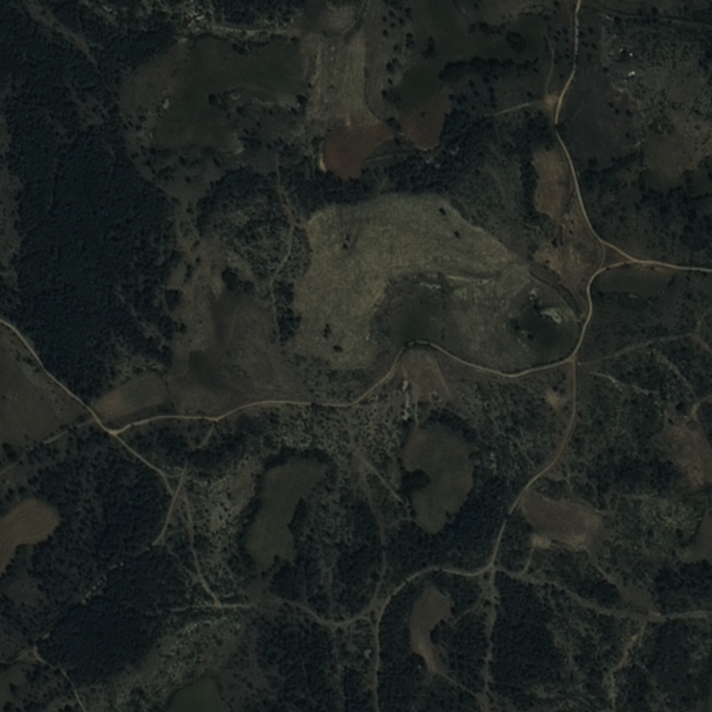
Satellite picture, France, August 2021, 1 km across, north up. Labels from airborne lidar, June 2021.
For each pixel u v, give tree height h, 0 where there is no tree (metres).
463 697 12
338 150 0
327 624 0
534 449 0
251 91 0
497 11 0
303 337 0
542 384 0
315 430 0
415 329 0
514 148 10
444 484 0
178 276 0
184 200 0
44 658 12
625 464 8
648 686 14
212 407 0
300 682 11
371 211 0
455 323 0
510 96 0
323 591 7
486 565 0
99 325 11
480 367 0
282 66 0
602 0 0
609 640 6
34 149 17
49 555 8
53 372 12
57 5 6
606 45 0
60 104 15
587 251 0
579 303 0
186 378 0
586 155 0
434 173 9
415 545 10
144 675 0
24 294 8
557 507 0
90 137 12
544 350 0
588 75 0
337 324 0
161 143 0
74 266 15
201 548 9
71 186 16
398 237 0
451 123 11
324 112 0
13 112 10
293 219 0
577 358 0
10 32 17
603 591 13
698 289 0
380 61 0
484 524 8
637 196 0
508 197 0
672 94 0
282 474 0
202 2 8
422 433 0
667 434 0
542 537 0
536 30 0
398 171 7
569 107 0
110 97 12
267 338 0
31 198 9
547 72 0
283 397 0
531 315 0
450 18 0
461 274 0
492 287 0
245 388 0
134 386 0
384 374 0
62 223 16
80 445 14
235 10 8
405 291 0
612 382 0
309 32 0
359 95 0
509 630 9
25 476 0
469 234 0
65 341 14
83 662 15
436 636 10
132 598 12
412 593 12
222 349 0
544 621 6
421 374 0
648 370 8
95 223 15
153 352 14
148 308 14
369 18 0
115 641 18
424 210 0
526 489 0
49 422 0
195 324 0
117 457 7
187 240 0
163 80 0
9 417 0
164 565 8
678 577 8
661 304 0
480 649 8
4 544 0
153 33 15
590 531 0
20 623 8
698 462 0
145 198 12
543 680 7
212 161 0
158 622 10
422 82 0
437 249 0
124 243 13
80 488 11
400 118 0
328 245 0
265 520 0
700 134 0
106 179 14
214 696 0
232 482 0
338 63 0
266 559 0
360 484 0
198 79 0
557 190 0
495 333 0
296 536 6
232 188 8
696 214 9
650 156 0
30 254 11
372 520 11
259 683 0
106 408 0
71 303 10
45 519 0
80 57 9
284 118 0
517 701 6
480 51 0
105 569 9
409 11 10
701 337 0
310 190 8
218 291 0
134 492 12
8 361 0
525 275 0
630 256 0
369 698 10
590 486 6
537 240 0
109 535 17
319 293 0
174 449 9
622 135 0
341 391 0
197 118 0
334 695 6
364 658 6
